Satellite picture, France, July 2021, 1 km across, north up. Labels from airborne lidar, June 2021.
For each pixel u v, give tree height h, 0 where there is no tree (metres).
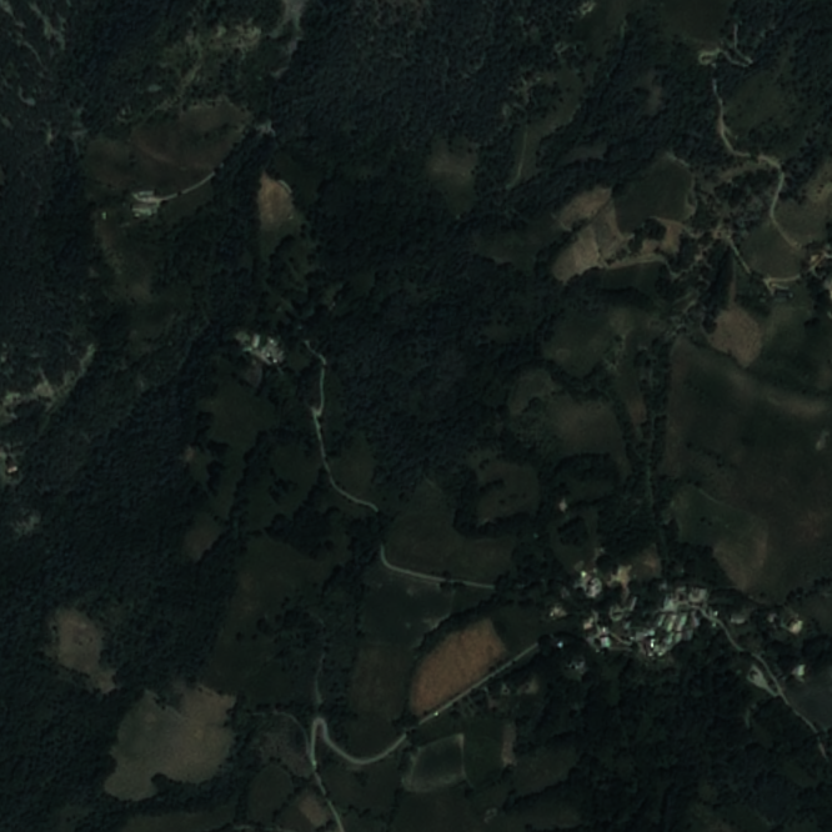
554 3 12
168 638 17
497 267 14
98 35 11
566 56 7
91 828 9
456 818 0
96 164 0
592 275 12
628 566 0
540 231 0
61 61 11
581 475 13
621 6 0
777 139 7
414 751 11
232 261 17
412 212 11
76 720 8
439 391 22
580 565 0
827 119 8
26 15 14
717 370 0
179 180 0
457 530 12
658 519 9
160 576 12
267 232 0
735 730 16
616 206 0
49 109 15
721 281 17
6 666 14
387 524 15
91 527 16
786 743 8
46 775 7
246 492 17
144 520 15
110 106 7
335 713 8
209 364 21
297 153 7
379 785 0
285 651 11
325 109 11
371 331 21
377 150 11
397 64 12
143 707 0
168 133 0
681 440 0
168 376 8
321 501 10
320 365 11
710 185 0
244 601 0
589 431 0
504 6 12
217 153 0
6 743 8
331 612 9
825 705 0
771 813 13
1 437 7
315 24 8
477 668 0
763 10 9
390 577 0
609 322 0
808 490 0
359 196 22
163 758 0
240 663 0
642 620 6
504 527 17
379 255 14
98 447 10
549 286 16
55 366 16
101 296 11
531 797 12
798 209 0
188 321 8
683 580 8
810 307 0
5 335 14
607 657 7
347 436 6
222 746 0
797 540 0
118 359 10
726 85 8
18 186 17
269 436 15
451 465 8
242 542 15
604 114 8
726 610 6
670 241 0
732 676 20
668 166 0
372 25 9
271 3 6
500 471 0
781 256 0
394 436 15
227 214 13
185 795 9
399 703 0
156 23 16
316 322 21
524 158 0
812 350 0
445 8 13
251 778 9
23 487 9
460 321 12
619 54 17
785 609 7
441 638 9
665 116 9
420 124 7
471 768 0
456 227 12
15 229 20
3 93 8
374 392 9
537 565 13
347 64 8
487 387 6
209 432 16
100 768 13
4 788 8
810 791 12
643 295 9
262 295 8
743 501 0
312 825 0
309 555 11
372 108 20
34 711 9
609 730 23
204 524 0
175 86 7
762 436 0
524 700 0
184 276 23
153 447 12
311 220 17
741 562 0
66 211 17
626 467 0
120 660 11
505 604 13
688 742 14
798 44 7
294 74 9
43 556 11
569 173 13
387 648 0
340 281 13
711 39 0
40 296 13
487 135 8
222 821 0
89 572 10
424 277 8
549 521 14
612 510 11
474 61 10
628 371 0
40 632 6
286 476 0
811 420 0
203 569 14
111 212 0
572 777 14
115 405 12
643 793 15
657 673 7
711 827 0
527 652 0
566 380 14
